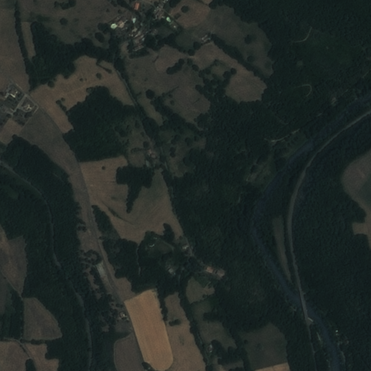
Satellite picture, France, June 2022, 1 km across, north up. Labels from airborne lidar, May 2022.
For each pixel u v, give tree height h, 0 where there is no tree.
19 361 0
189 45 0
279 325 16
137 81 0
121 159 0
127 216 0
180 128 18
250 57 12
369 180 0
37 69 7
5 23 0
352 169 0
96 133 16
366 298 19
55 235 10
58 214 12
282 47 24
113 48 21
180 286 13
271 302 17
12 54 0
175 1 19
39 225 17
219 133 17
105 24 8
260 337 0
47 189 18
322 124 29
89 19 0
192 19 0
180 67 12
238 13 15
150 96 20
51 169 12
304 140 0
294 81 20
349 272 10
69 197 9
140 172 18
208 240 18
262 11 22
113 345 0
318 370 16
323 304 20
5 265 0
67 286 24
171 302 0
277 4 15
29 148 16
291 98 20
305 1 12
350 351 18
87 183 0
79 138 15
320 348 18
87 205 0
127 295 0
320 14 16
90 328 7
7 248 0
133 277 16
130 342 0
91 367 8
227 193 13
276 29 24
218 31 0
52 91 0
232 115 14
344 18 19
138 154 0
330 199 22
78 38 0
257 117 17
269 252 12
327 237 16
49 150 0
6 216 11
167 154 0
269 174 0
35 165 16
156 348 0
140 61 0
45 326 0
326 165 24
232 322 20
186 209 18
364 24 19
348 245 16
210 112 10
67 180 7
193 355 0
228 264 14
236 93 0
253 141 23
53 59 17
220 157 17
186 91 0
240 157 23
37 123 0
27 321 0
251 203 17
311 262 15
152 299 0
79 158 10
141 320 0
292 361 17
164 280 17
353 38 20
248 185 15
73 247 6
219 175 19
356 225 0
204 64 0
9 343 0
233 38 0
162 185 0
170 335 0
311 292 12
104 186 0
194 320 6
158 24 15
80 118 19
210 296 9
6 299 0
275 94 12
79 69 0
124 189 0
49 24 0
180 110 0
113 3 10
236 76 0
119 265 6
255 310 12
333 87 13
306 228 15
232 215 20
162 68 0
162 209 0
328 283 16
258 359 0
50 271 15
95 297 10
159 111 21
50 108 0
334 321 13
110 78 0
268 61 0
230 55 16
